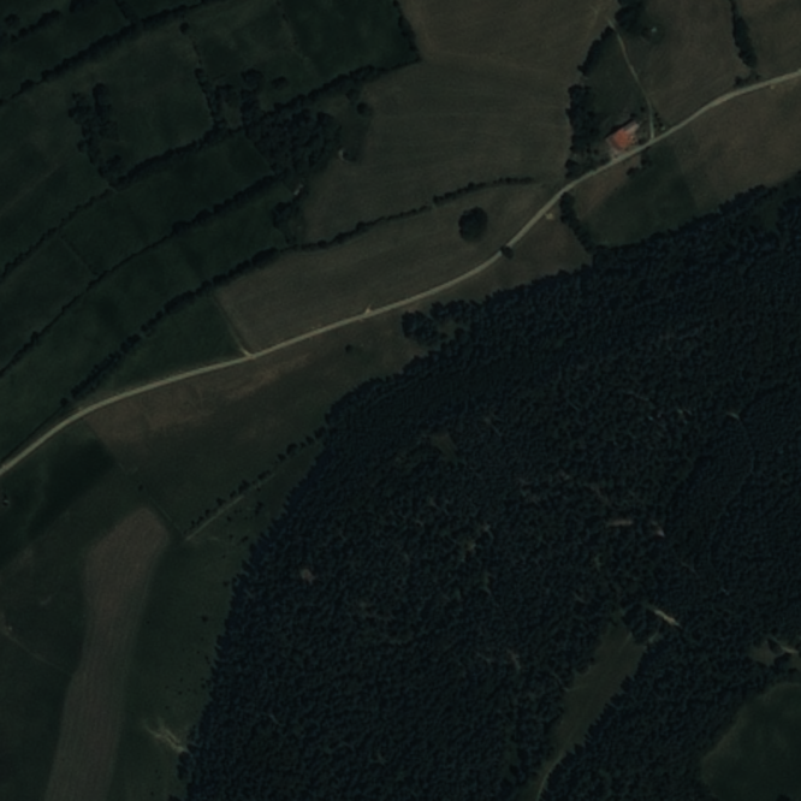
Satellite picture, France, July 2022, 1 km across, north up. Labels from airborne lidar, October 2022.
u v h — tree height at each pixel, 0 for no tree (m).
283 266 0
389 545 26
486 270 0
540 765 32
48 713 0
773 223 0
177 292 0
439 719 27
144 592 0
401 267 0
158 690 0
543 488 19
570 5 0
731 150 0
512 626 25
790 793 0
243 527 0
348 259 0
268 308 0
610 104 0
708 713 33
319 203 0
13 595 0
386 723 33
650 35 7
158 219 0
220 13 0
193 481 0
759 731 0
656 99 0
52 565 0
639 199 0
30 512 0
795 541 26
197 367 0
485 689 31
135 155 0
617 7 0
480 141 0
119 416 0
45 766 0
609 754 26
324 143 17
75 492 0
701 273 19
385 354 0
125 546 0
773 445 25
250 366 0
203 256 0
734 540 21
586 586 35
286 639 22
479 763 32
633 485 29
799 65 0
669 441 15
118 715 0
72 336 0
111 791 0
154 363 0
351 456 12
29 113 0
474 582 14
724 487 22
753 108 0
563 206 11
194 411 0
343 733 25
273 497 0
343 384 0
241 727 13
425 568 28
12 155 0
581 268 0
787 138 0
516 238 0
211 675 0
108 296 0
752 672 30
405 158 0
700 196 0
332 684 31
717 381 26
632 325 15
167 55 0
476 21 0
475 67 0
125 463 0
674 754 29
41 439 0
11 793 0
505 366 15
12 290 0
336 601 13
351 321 0
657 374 23
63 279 0
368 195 0
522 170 0
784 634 27
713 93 0
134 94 0
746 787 0
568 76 0
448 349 14
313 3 0
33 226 0
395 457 12
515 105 0
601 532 31
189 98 0
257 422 0
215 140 17
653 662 28
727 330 13
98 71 0
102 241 0
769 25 0
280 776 18
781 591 26
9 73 0
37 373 0
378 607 19
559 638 17
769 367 17
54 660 0
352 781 30
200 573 0
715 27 0
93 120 22
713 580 19
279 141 17
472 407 13
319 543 11
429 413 12
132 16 15
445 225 0
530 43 0
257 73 14
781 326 24
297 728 22
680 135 0
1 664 0
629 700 17
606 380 20
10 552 0
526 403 22
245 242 0
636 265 24
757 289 20
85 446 0
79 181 0
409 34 16
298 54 0
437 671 33
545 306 34
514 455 26
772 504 20
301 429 0
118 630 0
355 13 0
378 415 15
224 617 0
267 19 0
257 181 0
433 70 0
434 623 18
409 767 29
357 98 19
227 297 0
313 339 0
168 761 0
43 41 0
